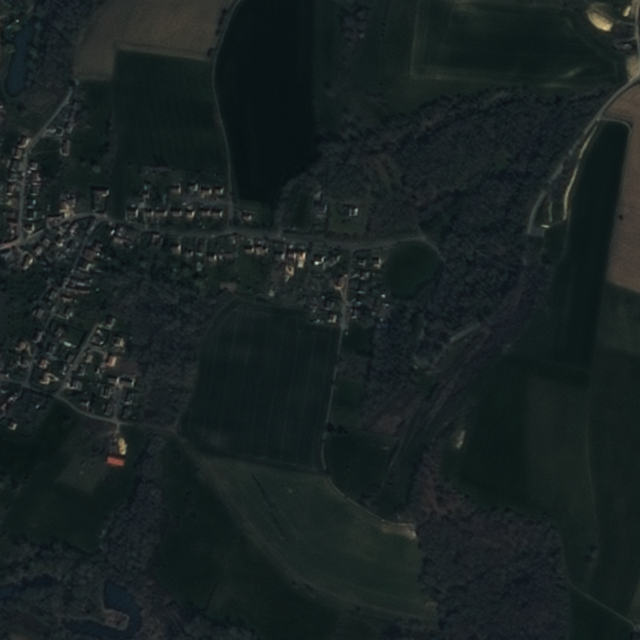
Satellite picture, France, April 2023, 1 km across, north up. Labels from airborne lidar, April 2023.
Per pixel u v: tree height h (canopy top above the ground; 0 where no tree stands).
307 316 0
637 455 0
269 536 0
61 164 8
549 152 22
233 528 0
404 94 0
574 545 0
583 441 0
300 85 0
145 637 7
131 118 0
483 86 0
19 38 0
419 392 0
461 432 0
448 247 21
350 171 22
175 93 0
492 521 9
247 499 0
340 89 0
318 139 7
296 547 0
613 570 0
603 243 0
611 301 0
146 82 0
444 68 0
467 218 21
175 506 0
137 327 17
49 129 0
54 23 19
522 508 0
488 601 29
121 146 0
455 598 21
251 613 0
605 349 0
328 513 0
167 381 28
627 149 0
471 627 26
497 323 17
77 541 0
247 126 0
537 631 18
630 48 0
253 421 0
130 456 0
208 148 0
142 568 11
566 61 0
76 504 0
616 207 0
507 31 0
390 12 0
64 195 0
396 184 17
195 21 0
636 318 0
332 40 0
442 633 7
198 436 0
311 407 0
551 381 0
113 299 9
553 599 20
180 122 0
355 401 0
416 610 0
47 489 0
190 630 29
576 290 0
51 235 9
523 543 21
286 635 0
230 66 0
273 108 0
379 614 0
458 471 0
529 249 15
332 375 0
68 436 0
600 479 0
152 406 8
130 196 0
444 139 20
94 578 30
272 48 0
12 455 0
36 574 25
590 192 0
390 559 0
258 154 0
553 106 8
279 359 0
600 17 0
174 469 0
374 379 14
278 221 22
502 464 0
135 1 0
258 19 0
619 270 0
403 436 0
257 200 0
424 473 17
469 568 20
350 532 0
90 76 0
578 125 17
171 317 28
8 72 0
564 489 0
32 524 0
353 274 0
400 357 22
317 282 8
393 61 0
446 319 9
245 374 0
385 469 0
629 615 0
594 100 7
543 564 25
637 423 0
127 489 0
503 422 0
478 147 22
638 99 0
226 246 0
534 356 0
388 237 19
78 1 20
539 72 0
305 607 0
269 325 0
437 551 20
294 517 0
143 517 21
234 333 0
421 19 0
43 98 0
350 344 0
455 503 13
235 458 0
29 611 20
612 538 0
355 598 0
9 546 0
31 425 11
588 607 0
